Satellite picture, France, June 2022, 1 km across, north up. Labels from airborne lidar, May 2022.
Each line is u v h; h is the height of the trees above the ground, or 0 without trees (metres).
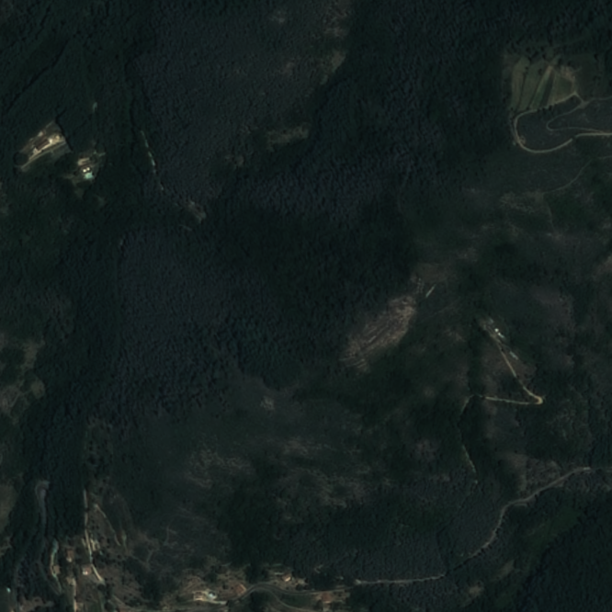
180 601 7
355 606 7
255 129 7
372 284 10
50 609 13
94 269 36
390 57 18
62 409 23
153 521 0
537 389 14
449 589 11
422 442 13
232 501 7
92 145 12
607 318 9
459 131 10
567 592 21
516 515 20
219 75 13
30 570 16
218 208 15
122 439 8
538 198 0
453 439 16
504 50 15
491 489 12
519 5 18
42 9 37
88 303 33
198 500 0
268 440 0
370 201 12
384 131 7
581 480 16
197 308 16
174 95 21
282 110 21
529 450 11
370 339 0
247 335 34
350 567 19
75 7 34
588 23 10
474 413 22
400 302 0
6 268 31
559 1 20
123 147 17
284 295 20
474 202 0
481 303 13
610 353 6
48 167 7
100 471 12
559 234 0
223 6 23
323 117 37
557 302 0
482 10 23
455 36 13
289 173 21
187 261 14
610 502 18
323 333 9
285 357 34
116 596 0
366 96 14
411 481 6
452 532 27
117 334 31
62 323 18
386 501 11
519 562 13
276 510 8
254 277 24
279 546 10
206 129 13
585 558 17
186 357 14
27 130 32
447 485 13
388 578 10
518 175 0
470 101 6
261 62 11
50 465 25
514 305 0
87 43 38
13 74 36
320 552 14
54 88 34
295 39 17
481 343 12
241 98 13
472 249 0
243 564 7
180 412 14
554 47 15
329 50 10
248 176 28
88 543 0
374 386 8
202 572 0
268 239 20
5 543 6
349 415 0
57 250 17
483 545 16
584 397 8
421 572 14
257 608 12
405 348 7
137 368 17
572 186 0
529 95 0
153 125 10
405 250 13
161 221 25
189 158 14
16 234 14
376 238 15
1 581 11
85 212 18
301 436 0
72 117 32
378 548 13
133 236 15
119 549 0
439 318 0
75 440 18
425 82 12
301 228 15
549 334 0
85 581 0
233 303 21
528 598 20
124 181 20
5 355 9
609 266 0
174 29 21
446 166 7
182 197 15
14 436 8
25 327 12
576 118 0
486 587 8
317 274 12
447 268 0
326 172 10
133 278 19
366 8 24
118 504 0
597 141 0
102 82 18
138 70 23
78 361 23
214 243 25
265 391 0
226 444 0
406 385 10
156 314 17
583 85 0
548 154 0
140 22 33
